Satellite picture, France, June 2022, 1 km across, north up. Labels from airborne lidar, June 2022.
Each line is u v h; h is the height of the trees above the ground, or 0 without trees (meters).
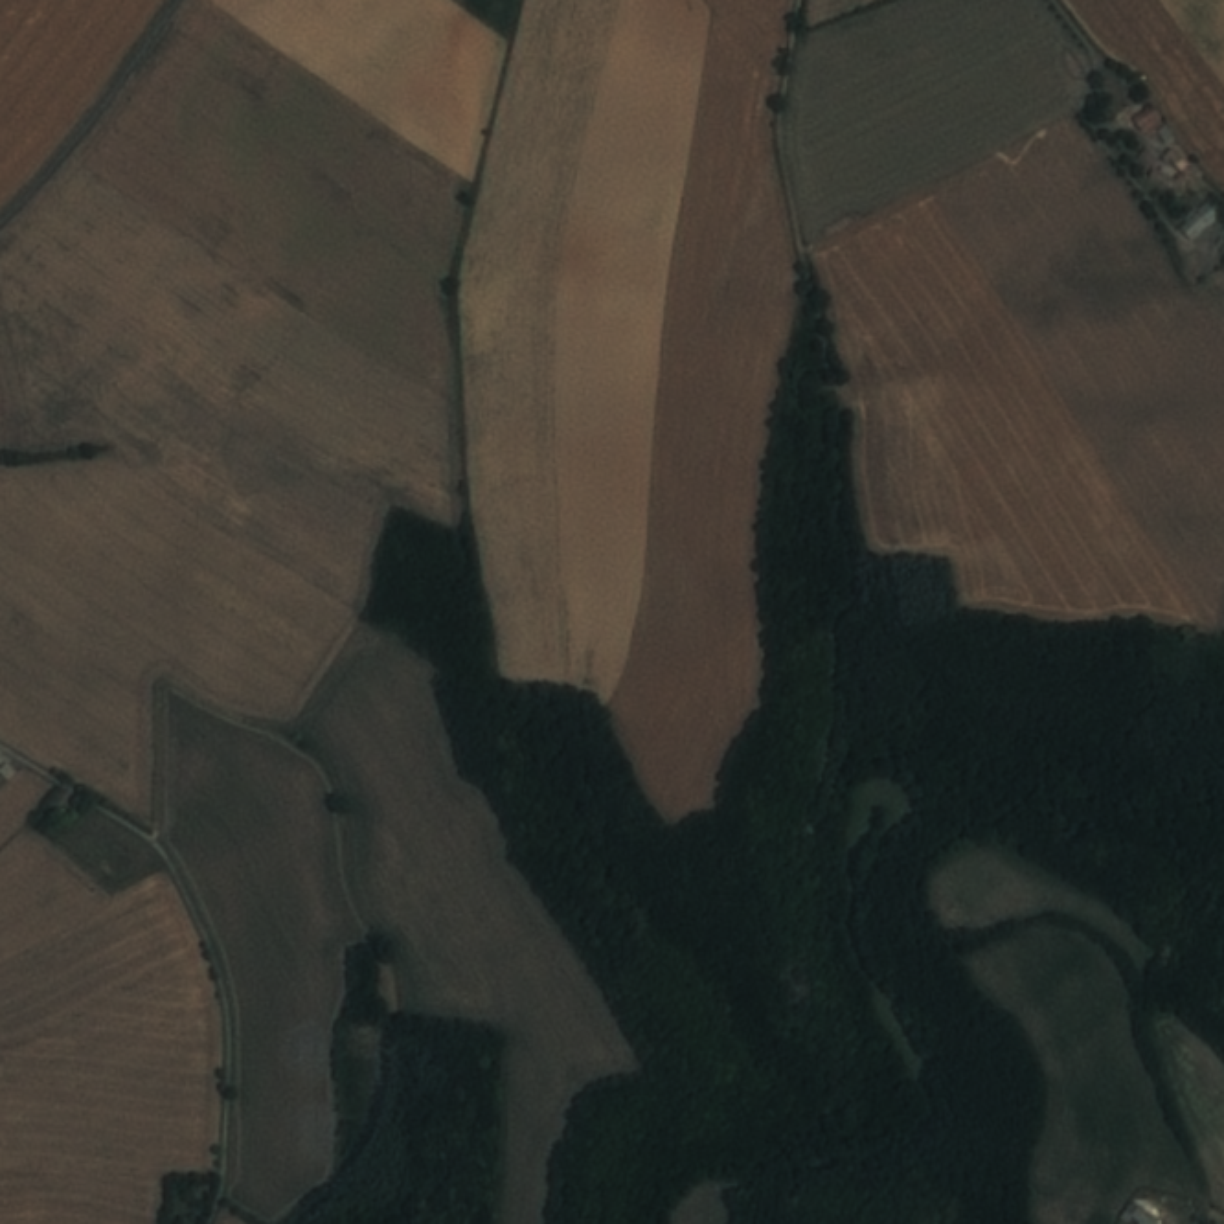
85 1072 0
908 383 0
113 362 0
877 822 16
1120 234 0
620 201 0
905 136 0
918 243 0
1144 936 15
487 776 21
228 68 0
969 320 0
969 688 17
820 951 20
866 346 0
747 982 19
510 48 0
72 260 0
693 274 0
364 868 0
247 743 0
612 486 0
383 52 0
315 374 0
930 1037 22
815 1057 9
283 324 0
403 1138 24
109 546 0
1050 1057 0
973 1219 21
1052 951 0
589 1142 24
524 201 0
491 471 0
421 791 0
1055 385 0
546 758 14
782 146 0
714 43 0
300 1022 0
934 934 13
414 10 0
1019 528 0
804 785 14
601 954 11
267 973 0
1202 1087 0
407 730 0
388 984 0
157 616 0
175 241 0
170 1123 0
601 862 18
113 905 0
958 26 0
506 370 0
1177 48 0
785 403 9
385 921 0
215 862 0
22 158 0
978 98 0
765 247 0
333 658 0
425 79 0
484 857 0
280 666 0
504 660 0
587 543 0
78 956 0
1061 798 19
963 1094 20
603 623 0
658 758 0
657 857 13
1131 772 19
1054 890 0
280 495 0
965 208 0
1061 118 0
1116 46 0
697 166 0
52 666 0
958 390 0
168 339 0
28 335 0
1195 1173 0
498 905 0
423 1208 22
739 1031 21
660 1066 11
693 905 14
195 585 0
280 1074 0
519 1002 0
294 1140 0
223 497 0
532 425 0
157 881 0
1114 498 0
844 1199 23
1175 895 21
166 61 0
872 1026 20
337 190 0
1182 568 0
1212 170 0
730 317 0
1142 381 0
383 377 0
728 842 8
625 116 0
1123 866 23
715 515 0
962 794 18
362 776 0
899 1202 20
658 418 0
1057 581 0
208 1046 0
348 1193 26
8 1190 0
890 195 0
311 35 0
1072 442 0
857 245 0
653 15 0
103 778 0
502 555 0
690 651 0
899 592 24
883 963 20
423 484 0
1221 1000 21
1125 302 0
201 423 0
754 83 0
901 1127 15
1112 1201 0
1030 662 12
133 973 0
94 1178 0
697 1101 16
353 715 0
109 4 0
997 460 0
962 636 13
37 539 0
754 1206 15
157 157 0
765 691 12
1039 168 0
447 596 8
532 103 0
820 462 14
